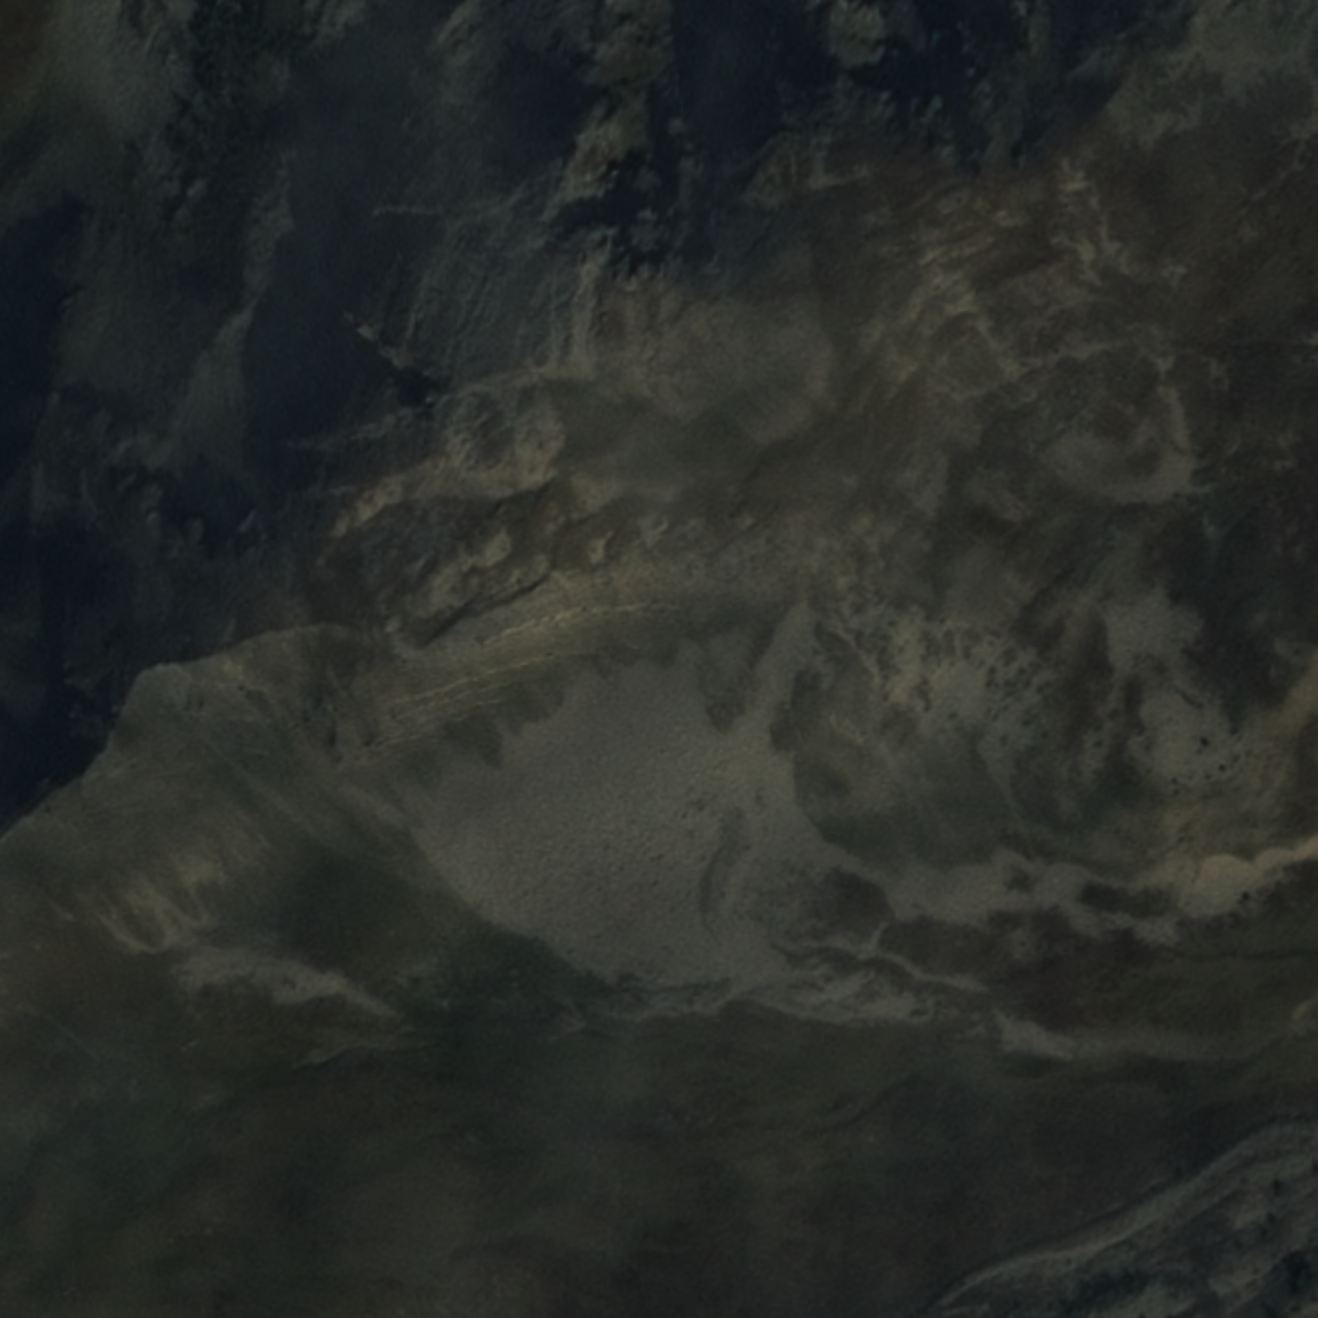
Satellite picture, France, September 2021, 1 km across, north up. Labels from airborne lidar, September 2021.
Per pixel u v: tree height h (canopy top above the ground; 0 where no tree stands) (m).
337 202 0
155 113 0
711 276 0
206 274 0
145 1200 0
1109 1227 0
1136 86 0
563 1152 0
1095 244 0
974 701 0
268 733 0
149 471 0
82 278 0
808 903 0
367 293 0
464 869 0
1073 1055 0
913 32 0
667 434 0
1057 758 0
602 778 0
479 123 0
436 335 0
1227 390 0
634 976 0
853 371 0
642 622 0
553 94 0
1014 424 0
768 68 0
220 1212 0
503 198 0
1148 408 0
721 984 0
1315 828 0
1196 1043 0
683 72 0
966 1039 0
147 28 0
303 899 0
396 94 0
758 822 0
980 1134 0
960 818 0
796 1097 0
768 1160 0
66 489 0
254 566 0
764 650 0
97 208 0
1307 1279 9
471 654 0
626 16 0
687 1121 0
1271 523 0
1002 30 0
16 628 0
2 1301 0
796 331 0
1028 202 0
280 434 0
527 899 0
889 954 0
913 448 0
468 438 0
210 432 0
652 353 0
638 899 0
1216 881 0
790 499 0
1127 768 0
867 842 0
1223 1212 0
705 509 0
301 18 0
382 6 0
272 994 0
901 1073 0
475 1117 0
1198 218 0
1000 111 0
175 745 0
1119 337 0
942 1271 0
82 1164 0
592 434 0
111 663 0
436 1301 0
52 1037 0
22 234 0
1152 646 0
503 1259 0
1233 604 0
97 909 0
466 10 0
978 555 0
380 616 0
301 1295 0
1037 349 0
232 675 0
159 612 0
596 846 0
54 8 0
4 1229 0
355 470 0
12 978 0
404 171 0
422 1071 0
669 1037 0
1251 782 0
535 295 0
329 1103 0
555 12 0
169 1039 0
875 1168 0
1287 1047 0
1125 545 0
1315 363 0
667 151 0
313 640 0
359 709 0
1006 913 0
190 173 0
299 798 0
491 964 0
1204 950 0
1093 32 0
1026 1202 0
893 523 0
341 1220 0
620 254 0
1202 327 0
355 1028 0
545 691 0
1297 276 0
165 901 0
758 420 0
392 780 0
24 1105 0
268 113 0
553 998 0
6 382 0
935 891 0
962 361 0
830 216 0
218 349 0
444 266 0
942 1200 0
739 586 0
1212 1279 0
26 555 0
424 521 0
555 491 0
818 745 0
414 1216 0
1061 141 0
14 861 0
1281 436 0
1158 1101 0
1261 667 0
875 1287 0
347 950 0
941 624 0
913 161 0
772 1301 0
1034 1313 0
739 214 0
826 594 0
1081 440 0
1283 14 0
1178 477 0
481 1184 0
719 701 0
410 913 0
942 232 0
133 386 0
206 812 0
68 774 0
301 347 0
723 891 0
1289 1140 0
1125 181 0
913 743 0
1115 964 0
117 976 0
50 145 0
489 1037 0
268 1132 0
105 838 0
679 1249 0
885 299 0
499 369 0
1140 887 0
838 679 0
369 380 0
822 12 0
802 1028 0
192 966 0
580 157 0
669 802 0
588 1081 0
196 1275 0
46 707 0
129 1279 0
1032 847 0
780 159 0
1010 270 0
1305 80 0
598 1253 0
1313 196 0
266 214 0
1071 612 0
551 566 0
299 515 0
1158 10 0
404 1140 0
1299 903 0
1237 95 0
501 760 0
